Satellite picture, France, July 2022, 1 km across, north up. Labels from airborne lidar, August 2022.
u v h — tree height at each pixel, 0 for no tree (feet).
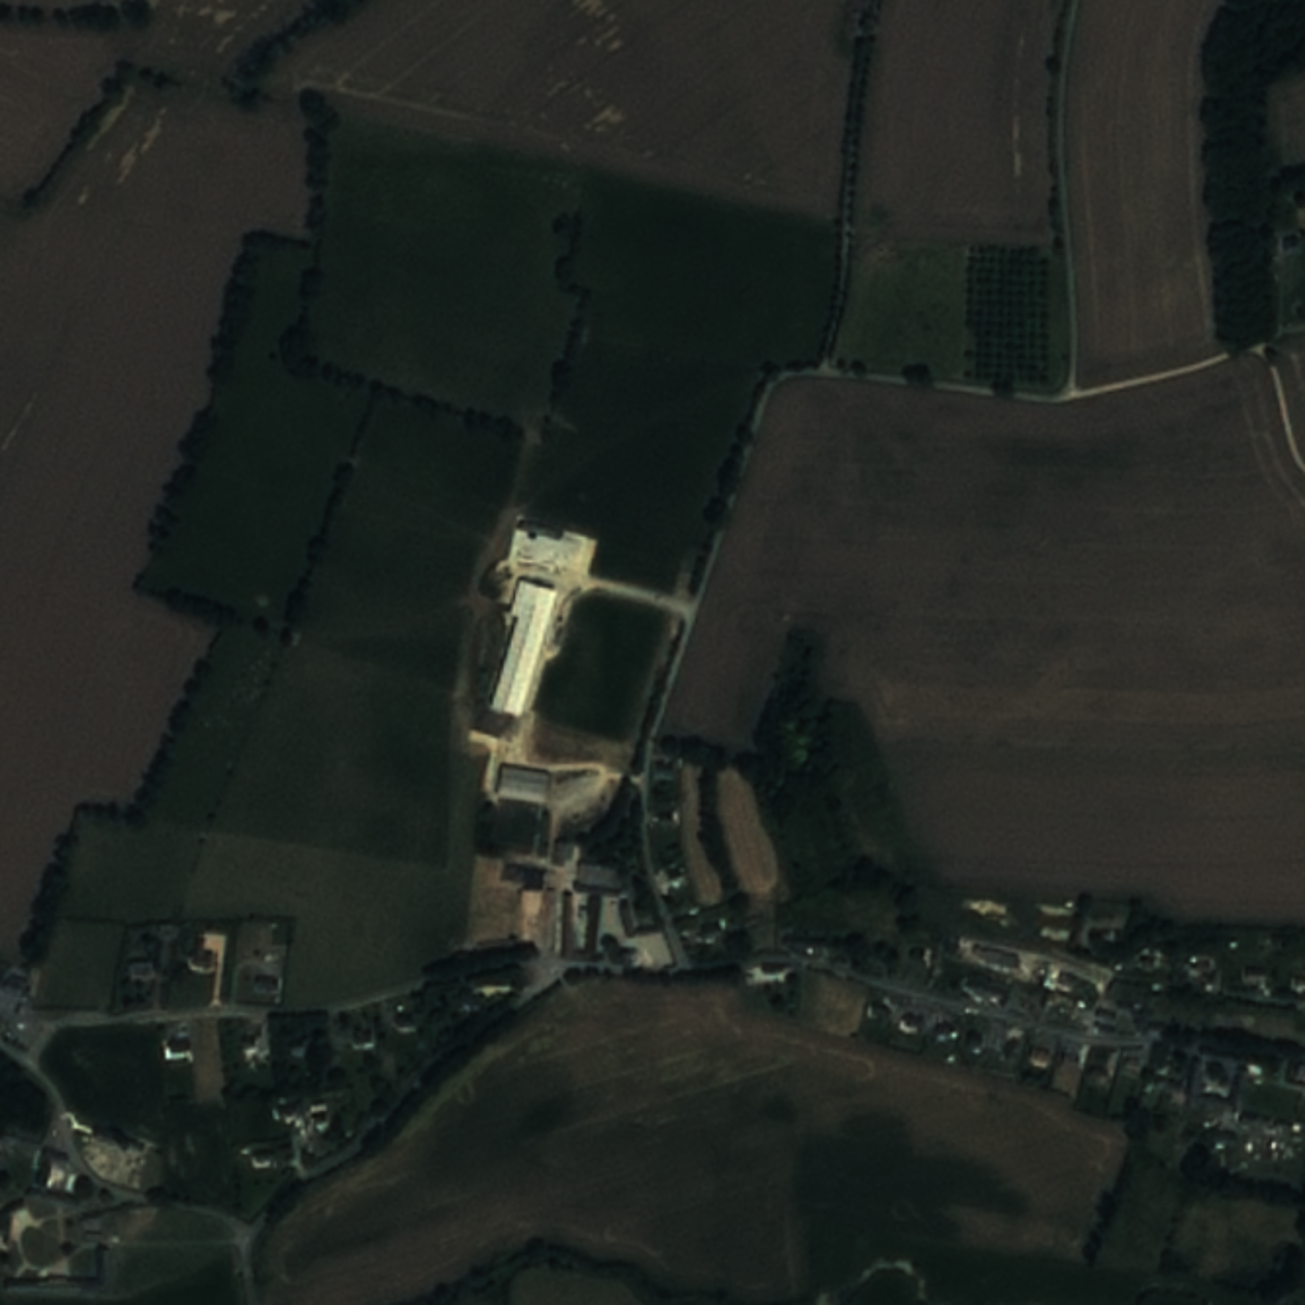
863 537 0
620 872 21
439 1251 0
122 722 0
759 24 0
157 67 0
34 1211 0
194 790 0
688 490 0
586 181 0
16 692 0
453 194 0
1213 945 26
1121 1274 0
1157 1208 0
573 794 0
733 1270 0
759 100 0
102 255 0
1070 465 0
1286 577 0
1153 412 0
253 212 0
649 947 0
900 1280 0
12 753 0
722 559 0
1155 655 0
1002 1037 0
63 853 46
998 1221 0
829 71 0
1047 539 0
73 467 0
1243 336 63
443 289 0
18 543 0
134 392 0
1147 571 0
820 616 0
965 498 0
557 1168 0
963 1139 0
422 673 0
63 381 0
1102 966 24
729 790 0
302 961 0
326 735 0
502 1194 0
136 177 0
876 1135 0
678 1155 0
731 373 0
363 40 0
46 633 0
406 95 0
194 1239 0
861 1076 0
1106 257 0
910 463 0
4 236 0
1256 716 0
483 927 0
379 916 0
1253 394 0
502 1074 0
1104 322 0
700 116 0
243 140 0
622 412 0
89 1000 0
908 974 0
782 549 0
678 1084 0
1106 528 0
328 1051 54
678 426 0
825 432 0
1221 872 0
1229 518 0
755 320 0
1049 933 0
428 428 0
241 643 0
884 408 0
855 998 0
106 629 0
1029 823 0
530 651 21
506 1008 35
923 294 0
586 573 0
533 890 0
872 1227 0
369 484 0
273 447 0
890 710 0
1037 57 0
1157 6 0
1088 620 0
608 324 0
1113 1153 0
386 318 0
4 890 0
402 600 0
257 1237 0
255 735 0
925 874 0
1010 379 18
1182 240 0
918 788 0
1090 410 0
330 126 63
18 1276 0
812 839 0
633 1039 0
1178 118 0
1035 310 22
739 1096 0
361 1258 0
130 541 0
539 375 0
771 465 0
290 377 40
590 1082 0
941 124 0
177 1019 0
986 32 0
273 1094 25
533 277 0
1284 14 54
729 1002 0
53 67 0
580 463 0
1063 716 0
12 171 0
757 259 0
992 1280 0
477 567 0
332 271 0
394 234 0
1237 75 52
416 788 0
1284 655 0
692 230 0
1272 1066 24
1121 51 0
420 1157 0
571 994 0
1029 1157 0
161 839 0
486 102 0
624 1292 0
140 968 0
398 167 0
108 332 0
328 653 0
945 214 0
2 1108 68
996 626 0
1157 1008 0
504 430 41
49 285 0
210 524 0
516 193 0
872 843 0
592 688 0
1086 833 0
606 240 0
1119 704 0
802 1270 0
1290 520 0
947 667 0
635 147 0
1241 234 52
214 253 0
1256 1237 0
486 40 0
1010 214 0
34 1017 0
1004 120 0
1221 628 0
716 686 0
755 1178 0
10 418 0
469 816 0
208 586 0
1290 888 0
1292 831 0
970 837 0
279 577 0
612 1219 0
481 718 0
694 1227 0
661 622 0
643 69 0
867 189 0
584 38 0
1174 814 0
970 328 21
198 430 38
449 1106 0
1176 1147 0
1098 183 0
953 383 0
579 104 0
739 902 45
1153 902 0
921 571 0
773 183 0
